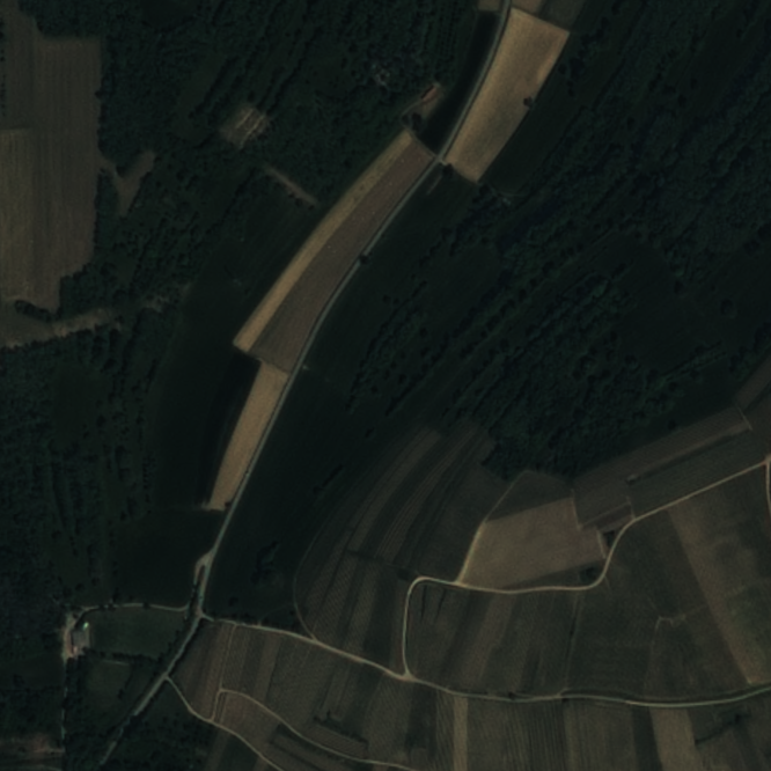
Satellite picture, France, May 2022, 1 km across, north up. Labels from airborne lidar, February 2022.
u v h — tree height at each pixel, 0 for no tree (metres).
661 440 0
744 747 0
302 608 0
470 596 0
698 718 0
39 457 24
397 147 0
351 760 0
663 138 20
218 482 0
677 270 14
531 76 0
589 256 0
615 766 0
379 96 7
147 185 14
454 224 0
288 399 0
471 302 0
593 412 8
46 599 19
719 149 21
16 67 0
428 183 0
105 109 11
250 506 0
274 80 8
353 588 0
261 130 0
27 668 0
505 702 0
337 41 19
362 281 0
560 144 0
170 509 0
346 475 0
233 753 0
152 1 0
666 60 19
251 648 0
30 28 0
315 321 0
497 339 0
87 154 0
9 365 20
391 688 0
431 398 0
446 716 0
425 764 0
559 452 9
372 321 0
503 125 0
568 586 0
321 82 0
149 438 0
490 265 0
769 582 0
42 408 18
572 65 0
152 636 0
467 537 0
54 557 0
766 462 0
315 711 0
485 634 0
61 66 0
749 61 0
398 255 0
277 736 0
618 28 0
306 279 0
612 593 0
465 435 0
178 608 0
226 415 0
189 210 14
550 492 0
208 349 0
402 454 0
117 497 0
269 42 6
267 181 8
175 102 10
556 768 0
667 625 0
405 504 0
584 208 18
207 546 0
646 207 8
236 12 15
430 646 0
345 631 0
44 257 0
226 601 0
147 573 0
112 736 10
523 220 0
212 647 0
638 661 0
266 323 0
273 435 0
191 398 0
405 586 0
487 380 0
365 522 0
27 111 0
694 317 0
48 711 8
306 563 0
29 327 0
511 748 0
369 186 0
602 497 0
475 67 0
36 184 0
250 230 0
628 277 0
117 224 13
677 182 20
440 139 0
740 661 0
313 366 0
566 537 0
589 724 0
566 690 0
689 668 0
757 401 0
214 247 6
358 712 0
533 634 0
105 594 0
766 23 0
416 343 0
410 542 0
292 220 0
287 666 0
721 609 0
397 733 0
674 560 0
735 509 0
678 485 0
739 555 0
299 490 0
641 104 0
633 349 0
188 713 0
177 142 8
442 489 0
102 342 12
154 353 16
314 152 20
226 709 0
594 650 0
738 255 0
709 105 0
